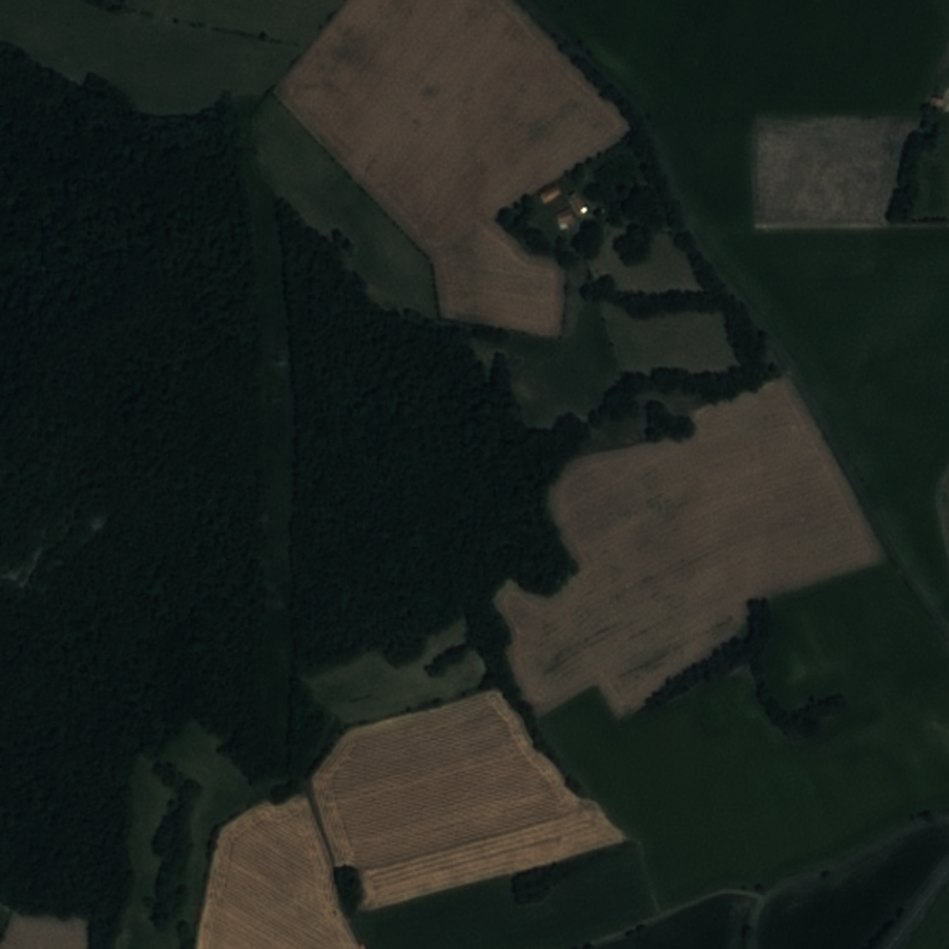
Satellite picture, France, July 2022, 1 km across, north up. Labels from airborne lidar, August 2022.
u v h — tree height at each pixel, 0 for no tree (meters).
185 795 13
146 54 0
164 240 16
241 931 0
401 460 15
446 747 0
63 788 12
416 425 9
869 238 0
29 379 17
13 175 22
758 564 0
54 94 25
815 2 0
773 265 0
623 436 0
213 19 0
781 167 0
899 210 16
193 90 0
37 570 9
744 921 0
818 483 0
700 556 0
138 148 20
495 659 15
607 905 0
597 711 0
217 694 13
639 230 17
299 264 12
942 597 0
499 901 0
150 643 9
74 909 16
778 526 0
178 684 19
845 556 0
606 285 17
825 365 0
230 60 0
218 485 15
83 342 13
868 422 0
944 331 0
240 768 14
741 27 0
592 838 0
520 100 0
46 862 16
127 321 9
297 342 14
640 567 0
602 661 0
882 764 0
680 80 0
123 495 14
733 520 0
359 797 0
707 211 0
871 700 0
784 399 0
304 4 0
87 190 19
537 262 0
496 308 0
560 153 0
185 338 13
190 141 18
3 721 16
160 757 15
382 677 0
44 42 0
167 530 11
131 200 23
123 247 11
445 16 0
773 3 0
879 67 0
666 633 0
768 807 0
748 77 0
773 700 12
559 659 0
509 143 0
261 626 10
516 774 0
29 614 14
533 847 0
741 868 0
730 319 14
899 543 0
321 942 0
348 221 0
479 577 18
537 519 10
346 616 15
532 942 0
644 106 0
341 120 0
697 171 0
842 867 0
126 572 12
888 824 0
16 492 6
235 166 18
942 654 0
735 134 0
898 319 0
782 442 0
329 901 0
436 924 0
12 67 26
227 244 20
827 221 0
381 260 0
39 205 20
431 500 12
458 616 12
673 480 0
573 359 0
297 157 0
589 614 0
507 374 15
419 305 0
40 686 13
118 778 16
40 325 13
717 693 0
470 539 16
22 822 16
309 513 12
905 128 0
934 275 0
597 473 0
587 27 0
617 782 0
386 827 0
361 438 18
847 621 0
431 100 0
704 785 0
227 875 0
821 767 0
